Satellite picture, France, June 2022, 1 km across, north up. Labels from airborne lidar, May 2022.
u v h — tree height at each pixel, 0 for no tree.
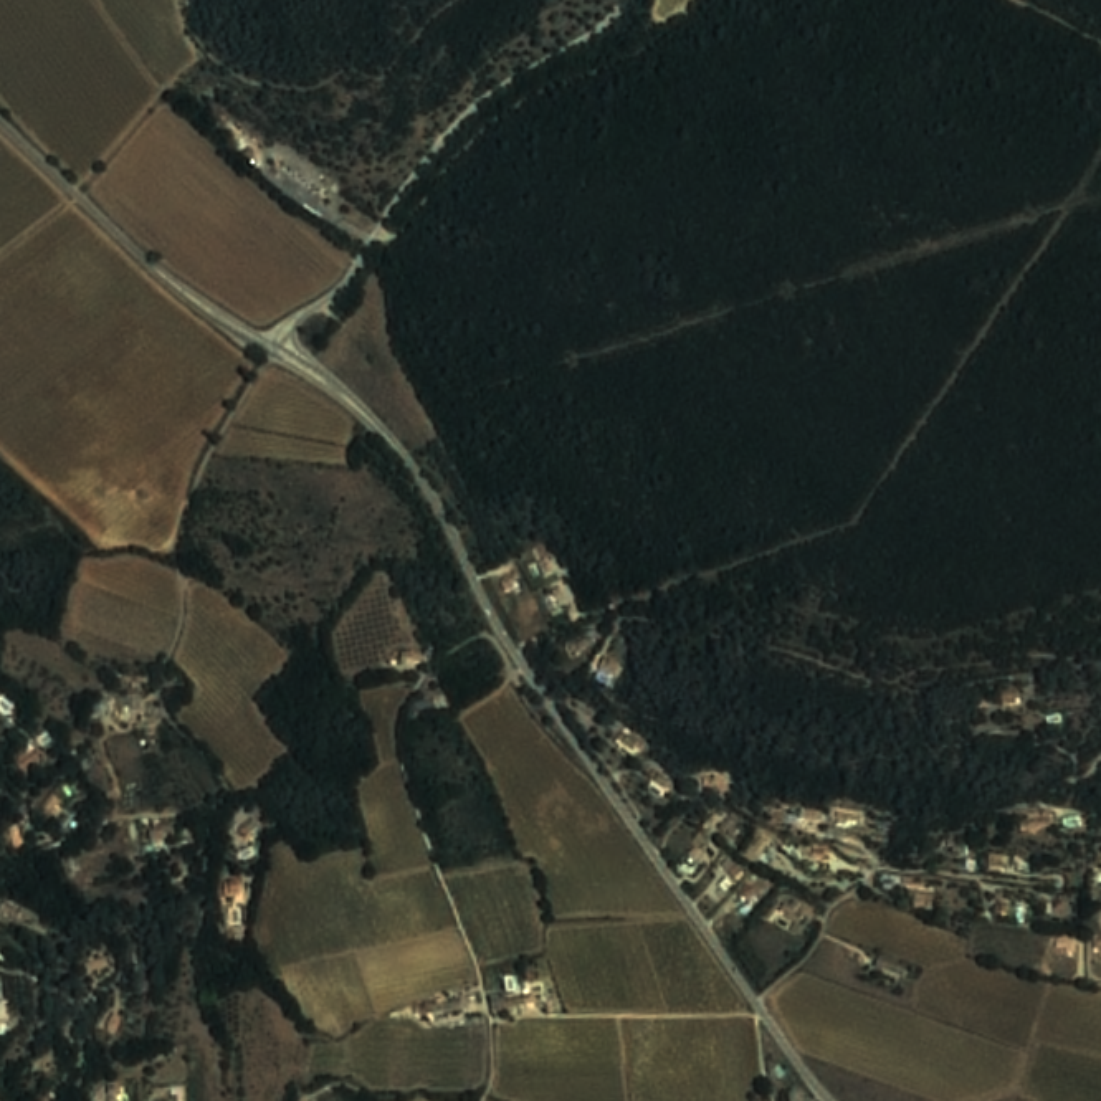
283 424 0
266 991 6
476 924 0
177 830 11
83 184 0
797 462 7
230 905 0
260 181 6
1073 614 10
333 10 9
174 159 0
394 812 0
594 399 8
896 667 8
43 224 0
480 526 9
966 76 9
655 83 11
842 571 6
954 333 6
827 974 0
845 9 11
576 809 0
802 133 6
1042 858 9
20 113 0
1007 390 7
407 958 0
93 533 0
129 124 0
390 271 10
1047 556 8
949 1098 0
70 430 0
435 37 6
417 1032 0
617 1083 0
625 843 0
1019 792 17
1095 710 8
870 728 6
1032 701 7
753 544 8
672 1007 0
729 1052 0
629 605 13
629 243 7
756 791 19
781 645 7
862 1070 0
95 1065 9
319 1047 0
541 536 17
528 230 6
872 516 6
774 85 8
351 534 0
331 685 13
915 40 10
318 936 0
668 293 18
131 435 0
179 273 0
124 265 0
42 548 6
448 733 11
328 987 0
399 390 0
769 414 7
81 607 0
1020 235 6
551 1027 0
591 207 6
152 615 0
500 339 8
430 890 0
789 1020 0
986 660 7
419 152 7
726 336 6
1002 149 8
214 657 0
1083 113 9
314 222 10
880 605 8
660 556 10
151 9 0
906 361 6
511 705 0
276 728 14
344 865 0
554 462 10
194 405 0
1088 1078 0
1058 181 6
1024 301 8
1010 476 6
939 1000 0
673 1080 0
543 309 6
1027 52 7
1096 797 20
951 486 6
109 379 0
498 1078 0
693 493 9
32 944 22
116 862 6
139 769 0
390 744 0
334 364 0
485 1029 0
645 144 6
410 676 10
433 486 10
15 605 11
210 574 10
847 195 7
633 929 0
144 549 11
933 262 6
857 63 9
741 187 9
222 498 7
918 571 7
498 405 14
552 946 0
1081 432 6
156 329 0
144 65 0
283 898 0
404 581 16
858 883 6
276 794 11
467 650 6
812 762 19
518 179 7
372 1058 0
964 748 8
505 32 8
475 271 5
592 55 10
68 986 23
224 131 10
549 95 10
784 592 8
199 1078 0
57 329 0
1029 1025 0
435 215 7
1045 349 6
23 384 0
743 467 6
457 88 11
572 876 0
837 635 10
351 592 10
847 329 6
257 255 0
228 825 12
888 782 6
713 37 10
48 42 0
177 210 0
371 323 0
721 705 8
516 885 0
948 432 6
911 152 6
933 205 6
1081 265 10
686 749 6
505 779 0
